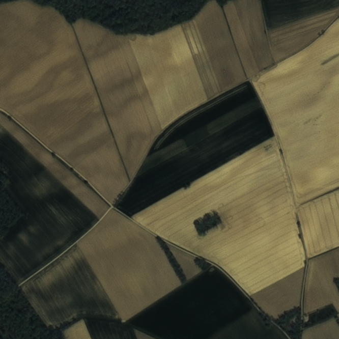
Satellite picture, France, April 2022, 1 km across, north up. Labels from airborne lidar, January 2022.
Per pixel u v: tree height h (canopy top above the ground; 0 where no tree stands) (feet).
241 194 0
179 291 0
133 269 0
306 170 0
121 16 96
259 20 0
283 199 0
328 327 0
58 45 0
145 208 0
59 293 0
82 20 0
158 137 0
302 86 0
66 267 0
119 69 0
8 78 0
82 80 0
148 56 0
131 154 0
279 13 0
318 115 0
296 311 53
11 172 0
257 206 0
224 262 0
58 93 0
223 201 0
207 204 0
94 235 0
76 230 0
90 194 0
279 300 0
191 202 0
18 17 0
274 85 0
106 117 0
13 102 0
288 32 0
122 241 0
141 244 0
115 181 0
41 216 0
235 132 0
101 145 0
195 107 0
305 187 0
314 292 0
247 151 0
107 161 0
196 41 0
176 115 0
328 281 0
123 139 0
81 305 0
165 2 95
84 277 0
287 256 0
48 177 0
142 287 0
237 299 0
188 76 0
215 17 0
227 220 0
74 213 0
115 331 0
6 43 0
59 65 0
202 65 0
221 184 0
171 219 0
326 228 0
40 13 0
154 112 0
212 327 0
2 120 0
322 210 0
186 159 0
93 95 0
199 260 50
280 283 0
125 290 0
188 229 0
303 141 0
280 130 0
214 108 0
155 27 88
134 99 0
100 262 0
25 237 0
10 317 74
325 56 0
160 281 0
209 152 0
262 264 0
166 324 0
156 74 0
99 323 0
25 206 0
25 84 0
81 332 0
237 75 0
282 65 0
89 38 0
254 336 0
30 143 0
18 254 0
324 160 0
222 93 0
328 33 0
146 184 0
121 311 0
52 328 0
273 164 0
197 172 0
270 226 0
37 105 0
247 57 0
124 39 0
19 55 0
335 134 0
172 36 0
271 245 0
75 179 0
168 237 0
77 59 0
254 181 0
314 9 0
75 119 0
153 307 0
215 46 0
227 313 0
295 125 0
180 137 0
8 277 105
